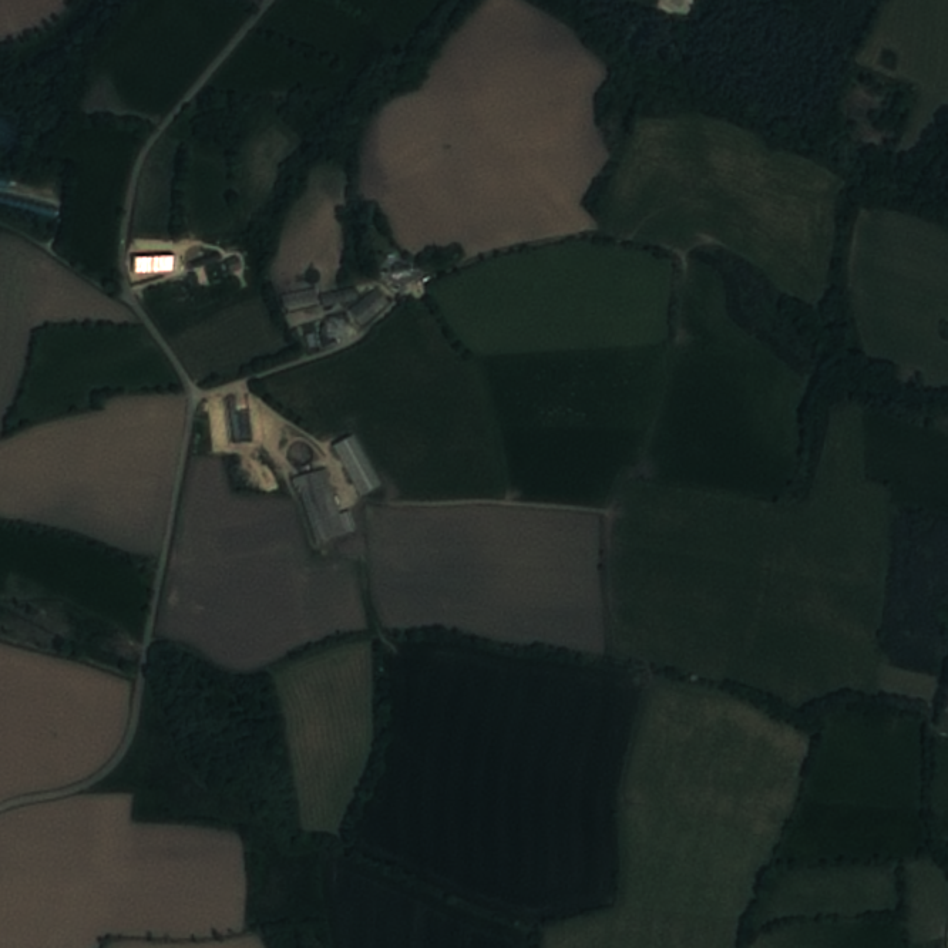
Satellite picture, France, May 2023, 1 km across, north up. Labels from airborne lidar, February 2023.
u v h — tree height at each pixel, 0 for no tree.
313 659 0
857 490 0
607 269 0
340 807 0
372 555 0
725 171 0
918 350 0
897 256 0
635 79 10
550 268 0
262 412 0
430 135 0
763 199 0
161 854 0
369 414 0
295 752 0
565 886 0
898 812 0
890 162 17
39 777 0
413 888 15
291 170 9
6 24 0
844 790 0
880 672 0
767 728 0
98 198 0
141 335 0
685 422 0
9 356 0
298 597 0
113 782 0
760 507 0
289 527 0
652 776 0
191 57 0
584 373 0
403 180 0
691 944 0
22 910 0
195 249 0
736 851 0
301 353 13
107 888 0
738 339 0
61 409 0
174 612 0
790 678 0
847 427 0
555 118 0
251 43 0
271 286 11
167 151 0
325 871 0
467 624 0
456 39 0
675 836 0
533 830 0
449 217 0
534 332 0
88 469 0
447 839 0
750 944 11
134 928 0
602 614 0
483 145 0
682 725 0
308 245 0
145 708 0
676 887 0
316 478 0
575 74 0
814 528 0
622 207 0
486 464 0
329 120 6
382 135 0
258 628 0
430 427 0
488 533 0
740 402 0
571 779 0
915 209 13
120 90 0
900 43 0
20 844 0
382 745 11
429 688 0
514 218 0
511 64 0
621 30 27
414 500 0
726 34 12
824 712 15
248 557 0
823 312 11
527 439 0
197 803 0
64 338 0
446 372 0
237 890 0
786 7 19
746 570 0
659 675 8
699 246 0
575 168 0
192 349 0
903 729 0
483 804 0
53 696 0
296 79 0
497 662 0
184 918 0
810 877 0
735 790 0
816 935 0
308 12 0
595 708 0
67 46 14
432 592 0
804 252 0
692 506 0
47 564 0
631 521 0
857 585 0
